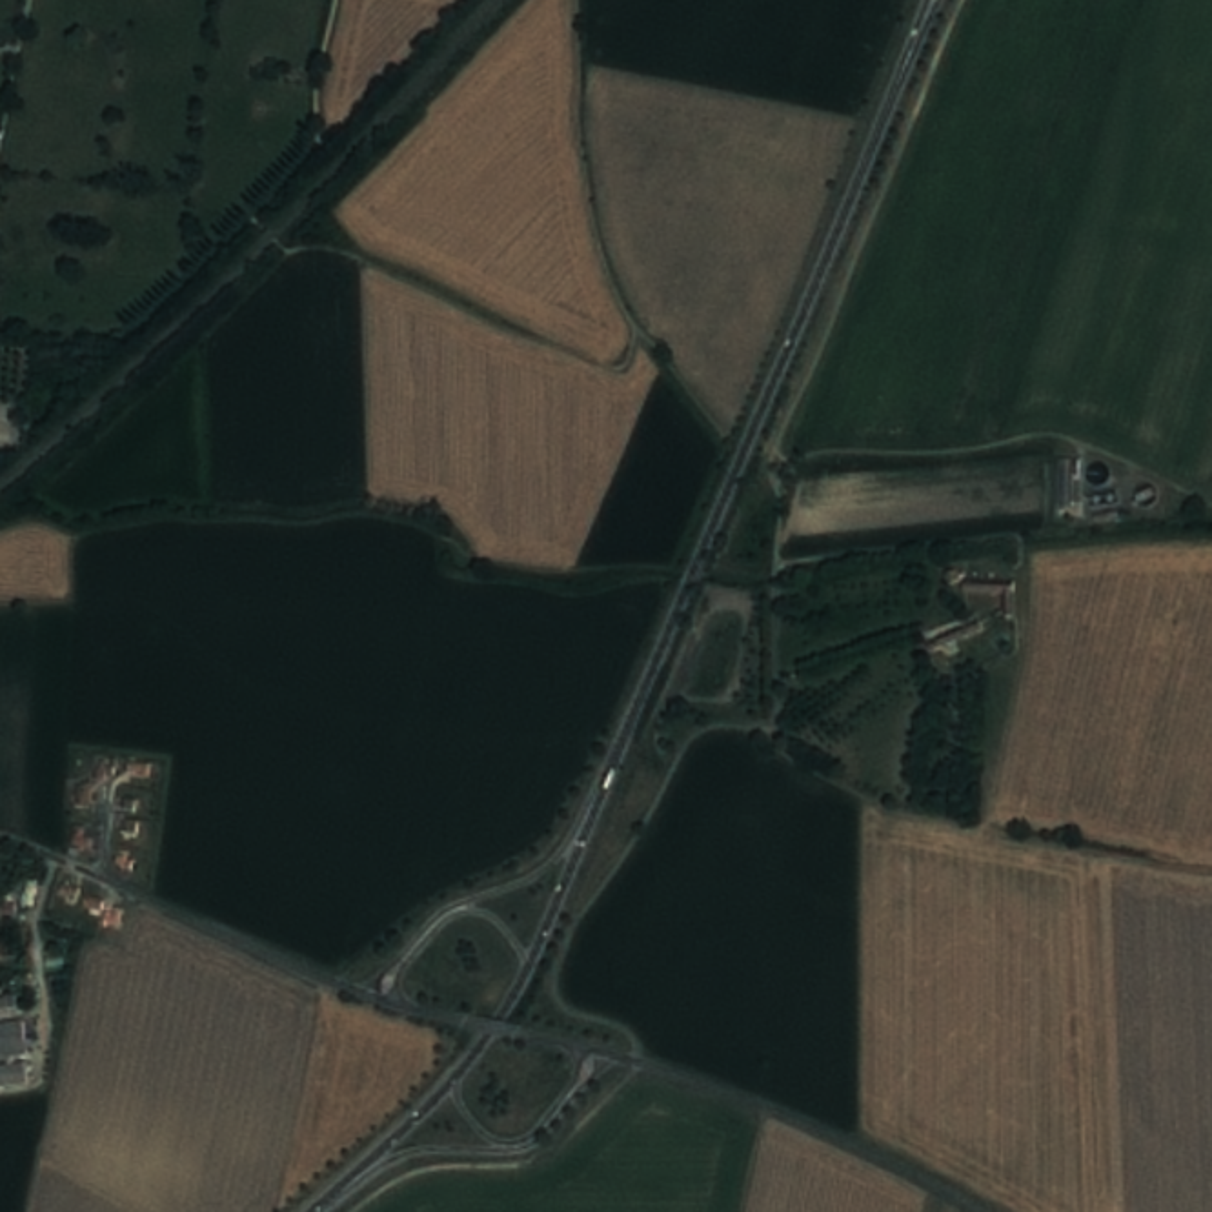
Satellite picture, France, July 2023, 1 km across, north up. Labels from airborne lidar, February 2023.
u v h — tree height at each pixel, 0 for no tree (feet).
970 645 0
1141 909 0
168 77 0
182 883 0
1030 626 0
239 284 34
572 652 0
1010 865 0
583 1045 0
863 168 0
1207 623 0
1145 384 0
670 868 0
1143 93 0
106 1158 0
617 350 0
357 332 0
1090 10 0
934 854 0
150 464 0
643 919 0
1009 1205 0
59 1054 0
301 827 0
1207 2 0
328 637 0
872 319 0
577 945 0
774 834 0
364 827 0
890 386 0
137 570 0
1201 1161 0
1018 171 0
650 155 0
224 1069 0
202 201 0
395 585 0
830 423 0
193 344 44
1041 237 0
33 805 0
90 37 47
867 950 0
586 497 0
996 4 0
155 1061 0
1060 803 0
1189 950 0
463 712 0
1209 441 0
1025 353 0
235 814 0
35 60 0
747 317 0
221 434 0
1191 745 0
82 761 0
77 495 0
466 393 0
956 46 0
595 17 0
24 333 62
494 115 0
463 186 0
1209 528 19
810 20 0
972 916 0
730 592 0
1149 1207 0
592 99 0
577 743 0
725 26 0
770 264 0
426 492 0
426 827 0
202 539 0
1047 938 0
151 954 0
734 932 0
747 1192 0
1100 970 0
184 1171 0
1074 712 0
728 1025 0
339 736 0
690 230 0
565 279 0
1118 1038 0
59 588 0
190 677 0
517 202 0
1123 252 0
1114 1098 0
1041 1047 0
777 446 0
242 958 0
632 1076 0
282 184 85
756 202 0
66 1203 0
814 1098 0
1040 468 0
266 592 0
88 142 0
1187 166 0
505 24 0
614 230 0
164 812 0
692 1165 0
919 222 0
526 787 0
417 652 0
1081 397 0
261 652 0
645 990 0
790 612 42
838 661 30
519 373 0
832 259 0
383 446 0
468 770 0
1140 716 0
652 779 0
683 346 0
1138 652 0
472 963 23
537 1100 0
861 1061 0
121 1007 0
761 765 0
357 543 0
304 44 0
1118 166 0
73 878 0
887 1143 0
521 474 0
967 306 0
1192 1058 0
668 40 0
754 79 0
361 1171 0
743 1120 0
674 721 57
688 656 0
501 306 0
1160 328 0
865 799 0
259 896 0
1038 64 0
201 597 0
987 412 0
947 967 0
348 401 0
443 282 0
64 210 0
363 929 0
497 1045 0
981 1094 0
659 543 0
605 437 0
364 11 0
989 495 0
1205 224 0
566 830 0
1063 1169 0
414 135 0
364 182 0
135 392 37
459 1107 0
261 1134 0
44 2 0
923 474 0
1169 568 0
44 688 0
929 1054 0
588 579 0
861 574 23
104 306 0
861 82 0
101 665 0
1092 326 0
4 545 0
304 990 0
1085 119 0
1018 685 0
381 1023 0
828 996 0
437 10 0
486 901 0
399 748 0
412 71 35
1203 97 0
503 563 0
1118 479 0
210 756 0
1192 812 0
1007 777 0
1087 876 0
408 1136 0
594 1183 0
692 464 0
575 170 0
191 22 0
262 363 0
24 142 0
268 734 0
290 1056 0
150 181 86
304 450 0
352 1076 0
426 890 0
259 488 0
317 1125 0
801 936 0
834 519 0
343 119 0
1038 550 0
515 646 0
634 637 0
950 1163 0
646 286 0
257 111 0
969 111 0
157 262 0
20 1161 0
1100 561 0
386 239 0
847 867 0
